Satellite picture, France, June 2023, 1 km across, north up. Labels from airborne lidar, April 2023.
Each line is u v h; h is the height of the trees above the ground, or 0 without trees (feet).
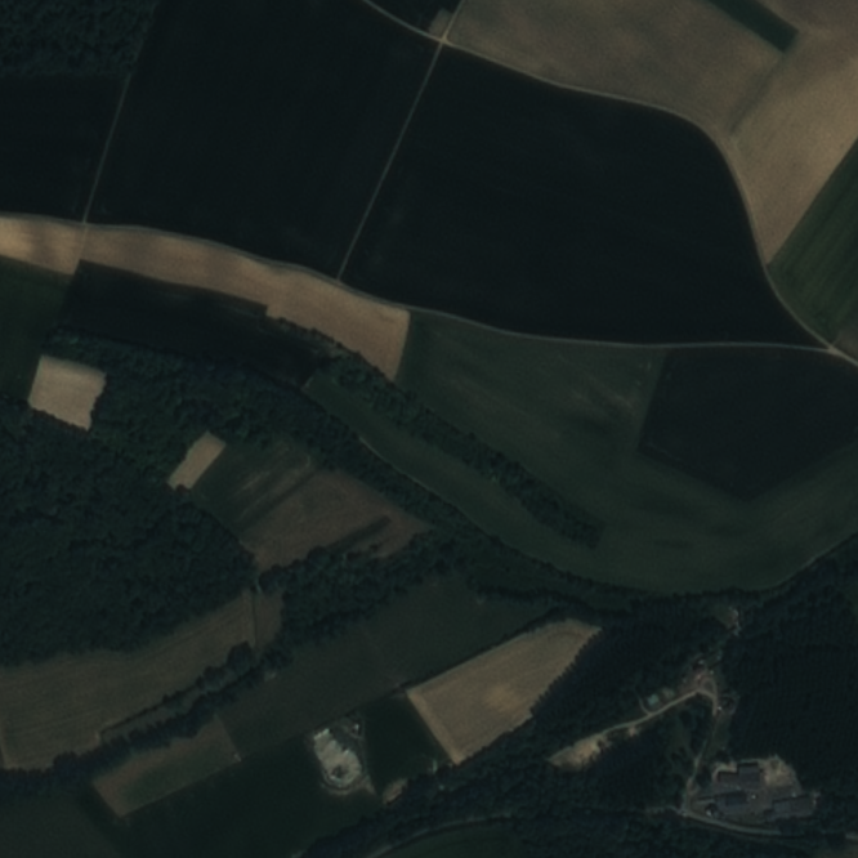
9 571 52
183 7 0
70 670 0
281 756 0
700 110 0
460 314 0
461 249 0
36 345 0
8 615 59
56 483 59
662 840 29
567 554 0
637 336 0
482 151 0
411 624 0
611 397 0
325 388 0
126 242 0
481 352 0
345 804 0
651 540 0
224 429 61
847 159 0
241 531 0
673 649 28
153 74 0
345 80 0
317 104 0
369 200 0
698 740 56
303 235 0
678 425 0
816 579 71
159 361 43
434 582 0
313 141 0
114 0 54
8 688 0
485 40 0
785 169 0
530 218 0
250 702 0
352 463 42
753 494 0
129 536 52
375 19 0
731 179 0
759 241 0
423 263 0
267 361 0
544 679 0
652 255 0
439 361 0
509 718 0
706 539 0
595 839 74
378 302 0
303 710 0
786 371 0
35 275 0
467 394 0
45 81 0
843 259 0
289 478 0
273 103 0
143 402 69
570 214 0
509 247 0
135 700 0
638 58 0
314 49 0
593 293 0
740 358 0
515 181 0
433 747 0
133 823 0
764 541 0
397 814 50
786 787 0
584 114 0
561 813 79
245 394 75
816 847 45
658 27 0
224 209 0
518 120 0
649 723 0
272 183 0
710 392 0
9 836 0
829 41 0
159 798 0
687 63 0
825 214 0
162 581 56
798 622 100
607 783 62
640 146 0
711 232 0
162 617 45
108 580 62
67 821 0
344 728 0
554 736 48
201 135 0
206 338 0
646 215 0
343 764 0
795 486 0
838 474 0
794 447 0
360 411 0
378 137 0
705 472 0
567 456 0
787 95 0
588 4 0
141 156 0
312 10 0
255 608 0
